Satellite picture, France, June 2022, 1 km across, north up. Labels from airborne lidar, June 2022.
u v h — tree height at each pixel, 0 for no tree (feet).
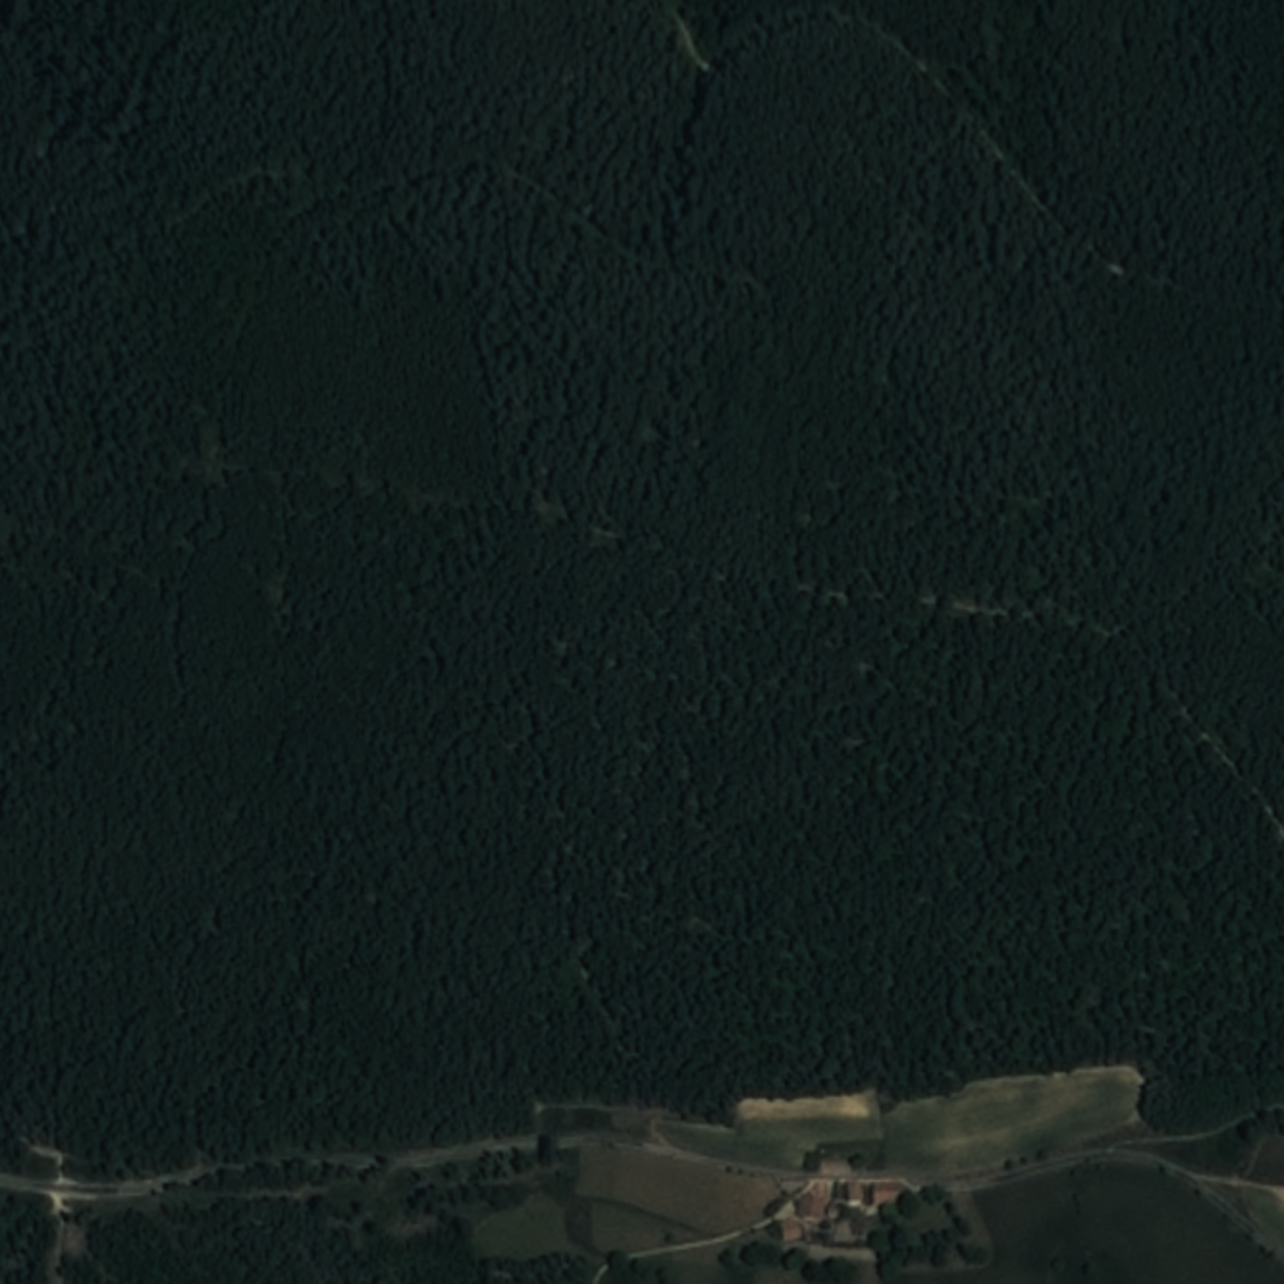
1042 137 40
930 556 38
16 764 58
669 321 70
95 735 61
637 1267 47
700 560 64
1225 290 81
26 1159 44
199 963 55
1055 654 39
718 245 86
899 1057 36
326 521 50
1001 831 59
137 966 67
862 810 74
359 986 63
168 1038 63
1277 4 33
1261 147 73
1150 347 64
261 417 40
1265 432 111
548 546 65
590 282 81
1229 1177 0
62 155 74
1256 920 68
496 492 38
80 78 105
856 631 62
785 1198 24
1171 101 73
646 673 66
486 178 80
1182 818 64
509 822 56
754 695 68
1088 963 37
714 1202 0
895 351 82
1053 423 73
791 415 69
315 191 36
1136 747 74
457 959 84
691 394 83
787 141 70
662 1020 72
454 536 30
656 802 68
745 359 56
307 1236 66
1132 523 76
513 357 79
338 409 39
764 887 71
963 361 78
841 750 64
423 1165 0
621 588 62
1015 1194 0
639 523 69
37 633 36
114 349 59
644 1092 58
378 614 52
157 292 27
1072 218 66
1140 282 61
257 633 58
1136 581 63
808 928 61
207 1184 59
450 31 90
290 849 50
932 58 58
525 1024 69
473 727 88
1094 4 73
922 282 76
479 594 80
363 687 59
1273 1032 42
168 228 53
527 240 83
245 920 65
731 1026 65
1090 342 89
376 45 81
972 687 72
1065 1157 0
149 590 65
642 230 77
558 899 62
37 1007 72
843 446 61
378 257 67
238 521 51
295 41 79
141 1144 54
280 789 60
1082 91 64
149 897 58
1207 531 60
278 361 32
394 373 40
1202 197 67
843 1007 50
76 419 55
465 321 43
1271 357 73
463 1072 77
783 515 58
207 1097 68
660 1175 0
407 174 84
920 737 78
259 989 73
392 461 42
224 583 47
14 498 58
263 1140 68
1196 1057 70
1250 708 51
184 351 22
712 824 69
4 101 86
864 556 64
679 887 44
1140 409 73
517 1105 58
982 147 96
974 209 83
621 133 92
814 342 59
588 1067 67
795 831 49
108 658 53
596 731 61
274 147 56
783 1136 0
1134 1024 76
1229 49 43
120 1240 26
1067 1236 0
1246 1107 65
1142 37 67
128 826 75
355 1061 39
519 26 94
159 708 65
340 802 71
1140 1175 0
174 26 40
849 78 72
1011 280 96
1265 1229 0
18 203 84
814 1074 48
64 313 59
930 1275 0
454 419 41
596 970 71
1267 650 53
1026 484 48
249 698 57
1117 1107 0
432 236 69
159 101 44
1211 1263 0
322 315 40
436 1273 34
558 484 71
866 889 53
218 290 28
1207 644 53
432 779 71
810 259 64
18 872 70
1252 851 71
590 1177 0
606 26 89
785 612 59
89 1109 48
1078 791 53
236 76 63
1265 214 62
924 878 47
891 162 73
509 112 77
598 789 66
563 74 73
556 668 73
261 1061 60
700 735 50
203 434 73
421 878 63
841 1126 0
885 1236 46
